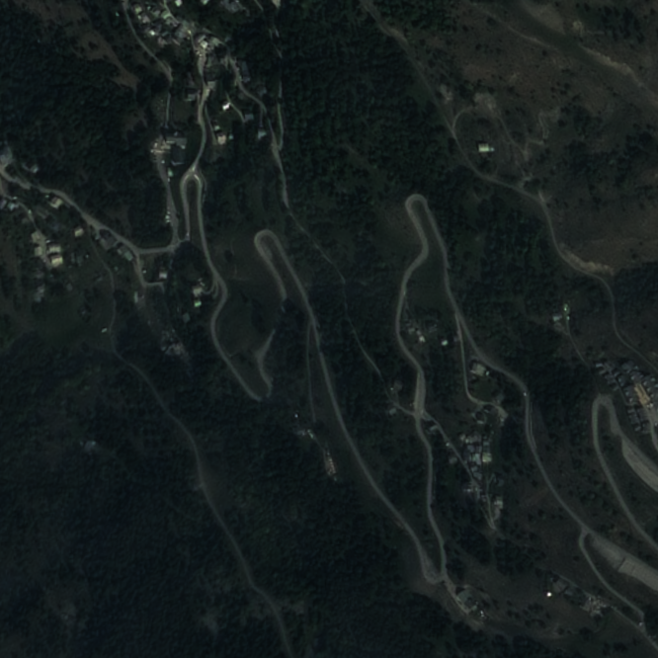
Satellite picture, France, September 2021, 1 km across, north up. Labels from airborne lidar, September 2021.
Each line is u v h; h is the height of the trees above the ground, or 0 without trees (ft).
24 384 62
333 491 56
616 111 0
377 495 0
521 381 0
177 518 53
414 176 51
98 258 0
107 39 42
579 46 0
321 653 33
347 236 0
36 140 34
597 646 0
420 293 0
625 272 26
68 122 31
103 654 27
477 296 45
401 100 39
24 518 38
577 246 0
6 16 70
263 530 36
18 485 33
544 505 0
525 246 37
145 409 20
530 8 0
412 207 0
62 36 41
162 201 33
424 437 0
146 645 43
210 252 0
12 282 29
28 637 40
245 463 29
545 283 30
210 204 0
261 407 22
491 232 42
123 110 58
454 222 40
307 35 60
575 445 25
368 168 0
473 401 0
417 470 32
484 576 0
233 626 34
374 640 43
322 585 41
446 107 0
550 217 0
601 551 0
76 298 0
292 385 29
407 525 0
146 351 53
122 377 35
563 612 0
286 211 50
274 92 28
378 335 41
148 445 32
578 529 0
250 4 31
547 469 0
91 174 47
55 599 0
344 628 34
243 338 0
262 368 0
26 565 18
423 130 24
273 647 60
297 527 31
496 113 0
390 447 26
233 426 46
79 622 20
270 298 0
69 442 21
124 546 70
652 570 0
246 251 0
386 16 41
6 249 0
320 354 0
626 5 0
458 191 32
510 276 51
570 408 35
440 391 29
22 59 41
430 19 38
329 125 25
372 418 25
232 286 0
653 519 0
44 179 47
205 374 56
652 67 0
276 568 31
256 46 49
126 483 27
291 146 34
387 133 44
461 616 0
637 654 0
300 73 54
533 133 23
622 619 0
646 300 29
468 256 23
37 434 18
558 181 0
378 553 36
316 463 40
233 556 20
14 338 30
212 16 56
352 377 66
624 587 0
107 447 42
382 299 44
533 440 0
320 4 36
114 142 68
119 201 38
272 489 48
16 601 22
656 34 0
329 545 35
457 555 34
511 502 0
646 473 0
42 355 54
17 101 44
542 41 0
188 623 57
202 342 49
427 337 0
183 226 0
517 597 0
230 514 26
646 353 0
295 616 38
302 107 36
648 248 0
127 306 37
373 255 64
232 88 40
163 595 53
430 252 0
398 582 58
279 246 0
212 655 70
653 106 0
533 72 0
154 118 56
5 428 57
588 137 27
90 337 0
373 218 46
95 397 0
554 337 35
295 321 0
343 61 43
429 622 46
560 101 0
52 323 0
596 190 29
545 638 0
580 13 0
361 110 30
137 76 43
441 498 21
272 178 40
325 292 47
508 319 39
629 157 24
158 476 49
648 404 0
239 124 29
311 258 29
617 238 0
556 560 0
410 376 35
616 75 0
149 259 0
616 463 0
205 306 39
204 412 47
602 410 0
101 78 35
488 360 0
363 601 66
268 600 0
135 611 52
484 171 31
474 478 24
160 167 0
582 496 28
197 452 0
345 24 51
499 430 0
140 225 48
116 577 71
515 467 32
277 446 59
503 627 0
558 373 40
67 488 33
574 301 0
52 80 66
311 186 27
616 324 0
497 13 0
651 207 0
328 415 0
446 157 26
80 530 29
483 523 27
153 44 0
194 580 42
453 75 27
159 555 62
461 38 0
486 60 0
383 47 44
